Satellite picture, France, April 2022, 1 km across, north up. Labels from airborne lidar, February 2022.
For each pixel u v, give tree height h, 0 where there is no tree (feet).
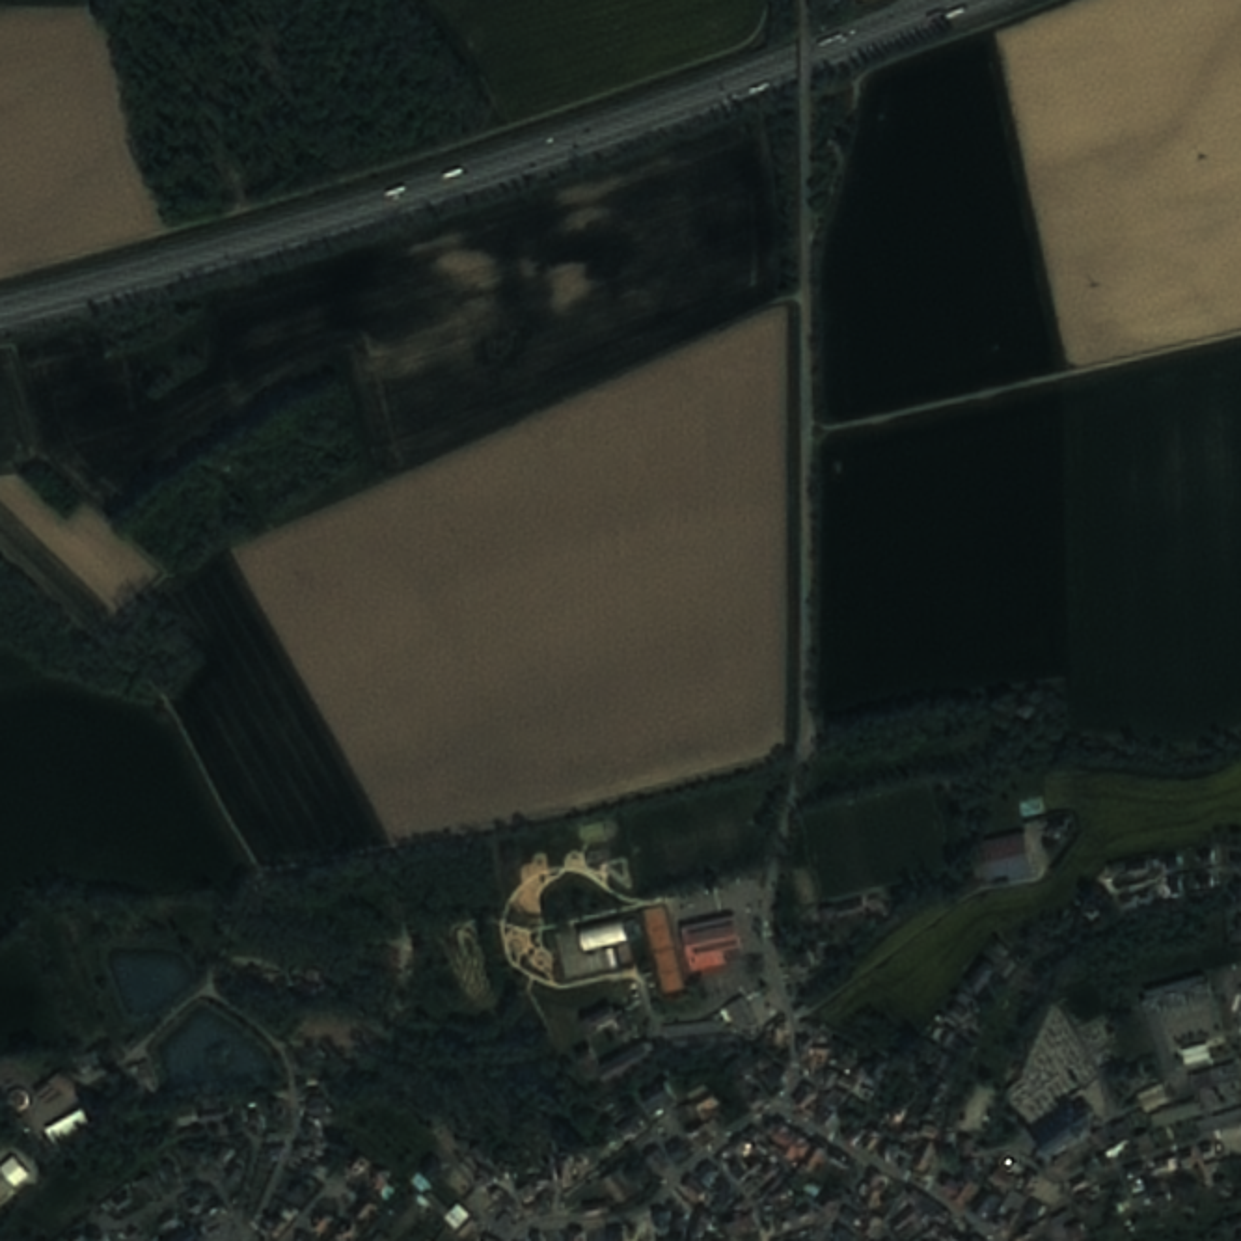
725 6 0
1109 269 0
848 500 0
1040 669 0
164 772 0
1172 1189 20
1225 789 0
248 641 0
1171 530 0
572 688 0
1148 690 0
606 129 0
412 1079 96
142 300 48
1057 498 0
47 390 0
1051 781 0
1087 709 0
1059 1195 0
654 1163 0
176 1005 0
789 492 0
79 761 0
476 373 0
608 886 0
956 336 0
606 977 0
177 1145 21
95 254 0
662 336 0
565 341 0
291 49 87
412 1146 0
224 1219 0
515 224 0
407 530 0
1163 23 0
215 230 0
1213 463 0
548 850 0
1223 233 0
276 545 0
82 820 0
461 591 0
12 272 0
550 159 0
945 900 54
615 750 0
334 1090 79
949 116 0
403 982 0
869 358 0
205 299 0
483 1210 0
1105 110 0
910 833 0
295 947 88
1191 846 0
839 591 0
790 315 0
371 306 0
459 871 61
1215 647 0
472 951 0
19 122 0
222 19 0
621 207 0
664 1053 53
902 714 64
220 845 0
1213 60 0
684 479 0
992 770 58
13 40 0
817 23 20
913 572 0
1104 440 0
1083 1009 0
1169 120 0
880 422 0
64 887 62
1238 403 0
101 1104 53
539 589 0
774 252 0
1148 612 0
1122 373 0
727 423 0
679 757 0
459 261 0
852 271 0
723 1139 0
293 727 0
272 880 72
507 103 0
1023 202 0
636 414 0
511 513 0
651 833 0
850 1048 24
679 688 0
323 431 86
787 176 40
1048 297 0
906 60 0
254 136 91
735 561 0
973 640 0
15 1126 42
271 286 0
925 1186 0
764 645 0
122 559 0
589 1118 62
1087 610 0
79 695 0
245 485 0
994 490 0
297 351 0
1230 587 0
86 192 0
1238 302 0
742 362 0
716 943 0
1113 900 54
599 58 0
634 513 0
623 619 0
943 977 0
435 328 0
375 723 0
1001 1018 0
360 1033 0
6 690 0
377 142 67
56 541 0
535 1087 40
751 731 0
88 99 0
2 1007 0
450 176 0
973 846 40
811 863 0
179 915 0
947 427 0
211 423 0
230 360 0
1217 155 0
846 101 0
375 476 0
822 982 48
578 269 0
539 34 0
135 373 0
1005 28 0
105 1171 47
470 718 0
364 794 0
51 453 0
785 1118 0
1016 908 0
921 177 0
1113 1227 42
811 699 31
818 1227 0
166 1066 0
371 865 77
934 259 0
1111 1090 32
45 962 33
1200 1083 0
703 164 0
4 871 0
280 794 0
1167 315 0
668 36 0
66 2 0
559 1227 0
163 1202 0
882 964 0
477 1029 57
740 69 0
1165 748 38
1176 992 0
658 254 0
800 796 27
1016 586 0
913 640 0
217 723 0
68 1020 42
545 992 0
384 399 0
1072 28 0
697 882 38
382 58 83
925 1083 30
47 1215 0
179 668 56
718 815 0
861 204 0
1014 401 0
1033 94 0
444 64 76
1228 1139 0
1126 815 0
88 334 0
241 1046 0
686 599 0
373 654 0
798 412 0
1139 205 0
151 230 0
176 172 76
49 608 64
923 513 0
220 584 0
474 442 0
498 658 0
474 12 0
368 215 0
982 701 24
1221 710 0
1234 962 0
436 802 0
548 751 0
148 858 0
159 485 81
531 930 0
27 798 0
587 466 0
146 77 70
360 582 0
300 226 0
